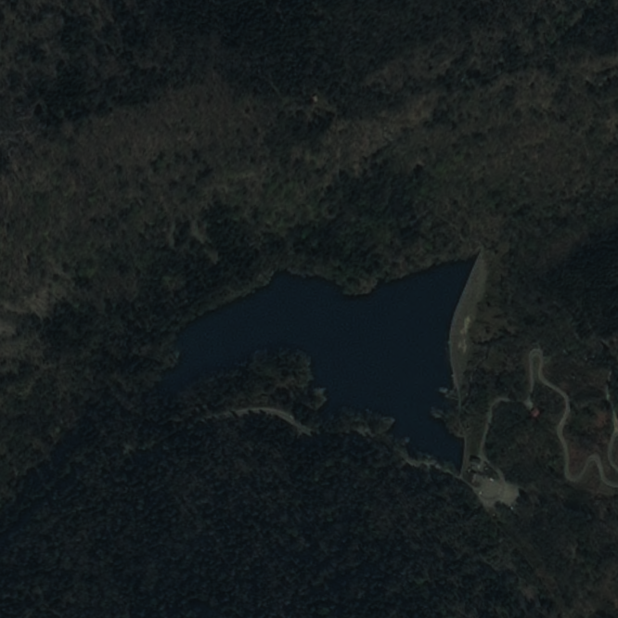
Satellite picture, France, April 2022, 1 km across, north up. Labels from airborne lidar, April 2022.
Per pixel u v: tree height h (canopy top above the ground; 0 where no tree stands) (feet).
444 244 42
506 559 37
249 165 51
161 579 61
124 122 95
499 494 0
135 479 113
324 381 0
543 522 72
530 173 66
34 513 76
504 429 49
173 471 86
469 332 0
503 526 31
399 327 0
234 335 0
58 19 55
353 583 114
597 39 92
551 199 41
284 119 83
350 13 64
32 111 106
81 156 88
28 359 41
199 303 101
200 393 86
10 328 0
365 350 0
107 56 56
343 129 49
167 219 73
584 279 66
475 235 0
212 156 40
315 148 70
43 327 84
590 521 83
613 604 23
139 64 48
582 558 52
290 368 42
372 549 99
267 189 61
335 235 116
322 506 101
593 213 64
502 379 42
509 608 114
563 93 53
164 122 70
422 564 90
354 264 97
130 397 105
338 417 79
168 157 75
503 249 0
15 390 48
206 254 34
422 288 0
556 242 73
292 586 81
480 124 49
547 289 67
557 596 42
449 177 35
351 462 93
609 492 0
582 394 0
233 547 91
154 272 94
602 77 76
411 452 79
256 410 0
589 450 0
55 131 89
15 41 71
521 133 62
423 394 0
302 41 58
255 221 60
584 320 32
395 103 53
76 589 107
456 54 55
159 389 52
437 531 37
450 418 29
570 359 56
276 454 66
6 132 107
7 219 96
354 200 77
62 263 54
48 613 45
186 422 47
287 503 62
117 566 88
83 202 125
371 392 0
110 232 99
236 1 86
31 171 68
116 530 91
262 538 70
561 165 79
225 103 64
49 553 104
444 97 67
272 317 0
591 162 54
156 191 80
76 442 106
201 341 0
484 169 29
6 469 74
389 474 79
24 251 88
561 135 42
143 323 74
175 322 97
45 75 91
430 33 60
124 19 90
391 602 113
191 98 74
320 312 0
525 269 73
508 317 52
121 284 119
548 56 62
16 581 89
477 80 44
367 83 36
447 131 51
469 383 0
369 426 56
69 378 45
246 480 44
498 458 55
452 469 43
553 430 28
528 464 41
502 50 60
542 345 32
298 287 0
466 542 78
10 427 97
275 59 74
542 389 20
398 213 125
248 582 98
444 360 0
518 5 78
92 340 70
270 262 82
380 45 73
